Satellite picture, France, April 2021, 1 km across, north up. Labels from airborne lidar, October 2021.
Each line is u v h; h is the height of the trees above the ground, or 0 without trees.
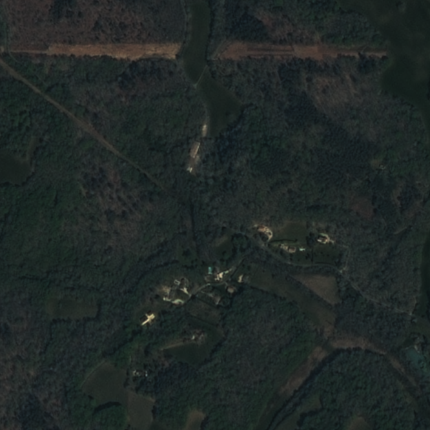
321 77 17
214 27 17
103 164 14
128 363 22
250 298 22
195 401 23
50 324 15
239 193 18
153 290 15
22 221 27
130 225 14
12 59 19
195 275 18
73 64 28
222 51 0
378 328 21
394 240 13
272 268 20
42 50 0
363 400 16
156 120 24
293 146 17
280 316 21
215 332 0
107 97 11
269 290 0
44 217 24
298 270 8
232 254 0
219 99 0
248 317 22
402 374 9
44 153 18
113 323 19
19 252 22
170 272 20
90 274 28
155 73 20
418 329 0
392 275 13
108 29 9
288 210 17
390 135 17
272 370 19
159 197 20
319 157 26
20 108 20
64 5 10
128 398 0
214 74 16
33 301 18
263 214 20
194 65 0
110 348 8
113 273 15
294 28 12
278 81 13
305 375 0
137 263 20
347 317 19
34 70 17
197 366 0
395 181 18
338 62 17
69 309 0
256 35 25
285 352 20
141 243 24
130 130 23
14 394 20
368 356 19
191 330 10
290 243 9
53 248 21
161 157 24
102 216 17
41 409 24
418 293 19
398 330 22
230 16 20
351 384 20
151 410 0
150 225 22
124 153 21
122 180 16
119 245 19
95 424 19
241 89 19
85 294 22
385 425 25
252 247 29
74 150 18
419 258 28
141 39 8
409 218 7
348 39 18
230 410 19
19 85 21
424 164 20
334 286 0
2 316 18
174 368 17
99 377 0
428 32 0
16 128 12
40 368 11
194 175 0
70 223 19
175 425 23
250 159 18
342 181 27
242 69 21
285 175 24
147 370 7
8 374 13
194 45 0
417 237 23
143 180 22
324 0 20
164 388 22
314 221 26
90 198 15
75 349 11
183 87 16
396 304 18
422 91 0
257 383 11
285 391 0
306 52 0
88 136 19
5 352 17
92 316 0
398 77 0
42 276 13
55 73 24
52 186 21
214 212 16
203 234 22
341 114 13
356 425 0
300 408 15
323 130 24
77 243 19
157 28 10
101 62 25
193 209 16
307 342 20
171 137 19
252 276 8
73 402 25
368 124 18
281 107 17
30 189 21
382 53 0
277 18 10
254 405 20
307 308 0
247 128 25
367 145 22
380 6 0
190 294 12
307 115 26
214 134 0
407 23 0
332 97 23
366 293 15
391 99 15
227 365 18
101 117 13
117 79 11
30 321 10
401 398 25
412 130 26
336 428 11
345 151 25
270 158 24
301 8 18
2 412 15
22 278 15
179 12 11
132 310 22
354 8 0
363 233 18
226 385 22
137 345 20
